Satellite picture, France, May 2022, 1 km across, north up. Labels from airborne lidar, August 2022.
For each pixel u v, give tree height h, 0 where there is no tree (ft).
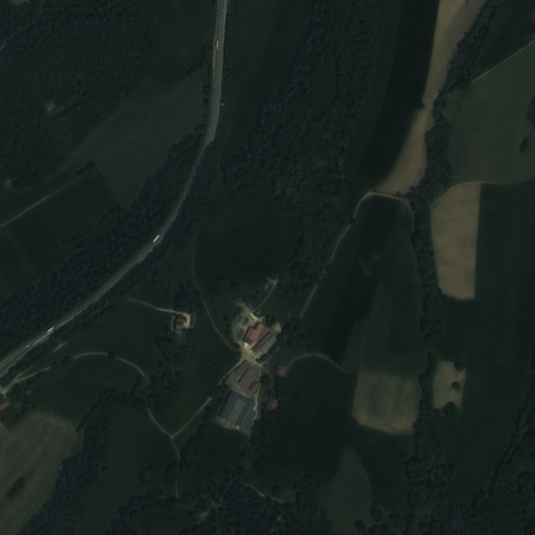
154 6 64
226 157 0
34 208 0
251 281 0
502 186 0
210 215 0
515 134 0
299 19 0
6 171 57
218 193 0
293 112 81
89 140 0
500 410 0
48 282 57
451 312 0
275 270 0
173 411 0
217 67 0
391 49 0
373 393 0
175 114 0
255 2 0
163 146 0
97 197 0
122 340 0
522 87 0
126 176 0
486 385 0
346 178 0
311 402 0
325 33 64
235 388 0
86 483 70
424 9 0
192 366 0
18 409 0
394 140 0
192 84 0
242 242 0
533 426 54
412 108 0
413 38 0
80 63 51
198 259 0
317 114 0
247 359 0
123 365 0
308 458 0
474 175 0
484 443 0
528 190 0
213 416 53
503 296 0
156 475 75
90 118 51
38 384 42
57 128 60
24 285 0
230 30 31
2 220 0
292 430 0
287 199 26
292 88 86
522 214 0
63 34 46
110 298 30
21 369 54
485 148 0
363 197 0
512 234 0
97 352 0
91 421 29
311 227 96
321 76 64
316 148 68
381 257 0
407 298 0
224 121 0
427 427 87
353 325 0
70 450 0
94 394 0
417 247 58
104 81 56
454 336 0
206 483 0
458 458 0
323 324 0
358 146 0
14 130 61
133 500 40
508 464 57
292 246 0
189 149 61
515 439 59
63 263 0
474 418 0
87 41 45
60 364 26
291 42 0
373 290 0
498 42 0
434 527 71
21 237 0
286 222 0
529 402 33
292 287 41
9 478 0
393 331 0
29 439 0
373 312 0
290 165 79
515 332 0
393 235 0
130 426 0
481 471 0
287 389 63
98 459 56
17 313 70
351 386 0
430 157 64
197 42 0
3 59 30
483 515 64
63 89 39
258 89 0
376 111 0
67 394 0
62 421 0
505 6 0
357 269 0
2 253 0
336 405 0
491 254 0
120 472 0
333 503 0
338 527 0
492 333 0
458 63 59
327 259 87
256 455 52
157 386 84
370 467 0
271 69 0
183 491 0
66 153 44
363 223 0
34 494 0
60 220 0
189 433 0
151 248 0
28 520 0
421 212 90
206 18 0
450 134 61
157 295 0
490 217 0
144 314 0
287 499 0
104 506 0
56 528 90
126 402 28
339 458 0
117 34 55
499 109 0
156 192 86
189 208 44
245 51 0
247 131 0
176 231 48
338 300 0
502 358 0
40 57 58
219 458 0
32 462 0
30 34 63
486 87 0
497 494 70
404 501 0
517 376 0
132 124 0
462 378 0
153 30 59
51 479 0
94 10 86
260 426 61
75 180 0
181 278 0
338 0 36
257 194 0
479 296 0
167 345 73
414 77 0
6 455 0
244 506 88
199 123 0
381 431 0
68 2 57
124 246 86
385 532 62
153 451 0
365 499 0
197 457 37
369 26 76
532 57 0
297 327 49
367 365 0
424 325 78
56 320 32
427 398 44
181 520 0
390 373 0
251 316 0
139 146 0
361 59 76
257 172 88
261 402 0
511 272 0
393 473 0
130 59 66
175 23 0
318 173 97
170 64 0
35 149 65
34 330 41
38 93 50
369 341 0
